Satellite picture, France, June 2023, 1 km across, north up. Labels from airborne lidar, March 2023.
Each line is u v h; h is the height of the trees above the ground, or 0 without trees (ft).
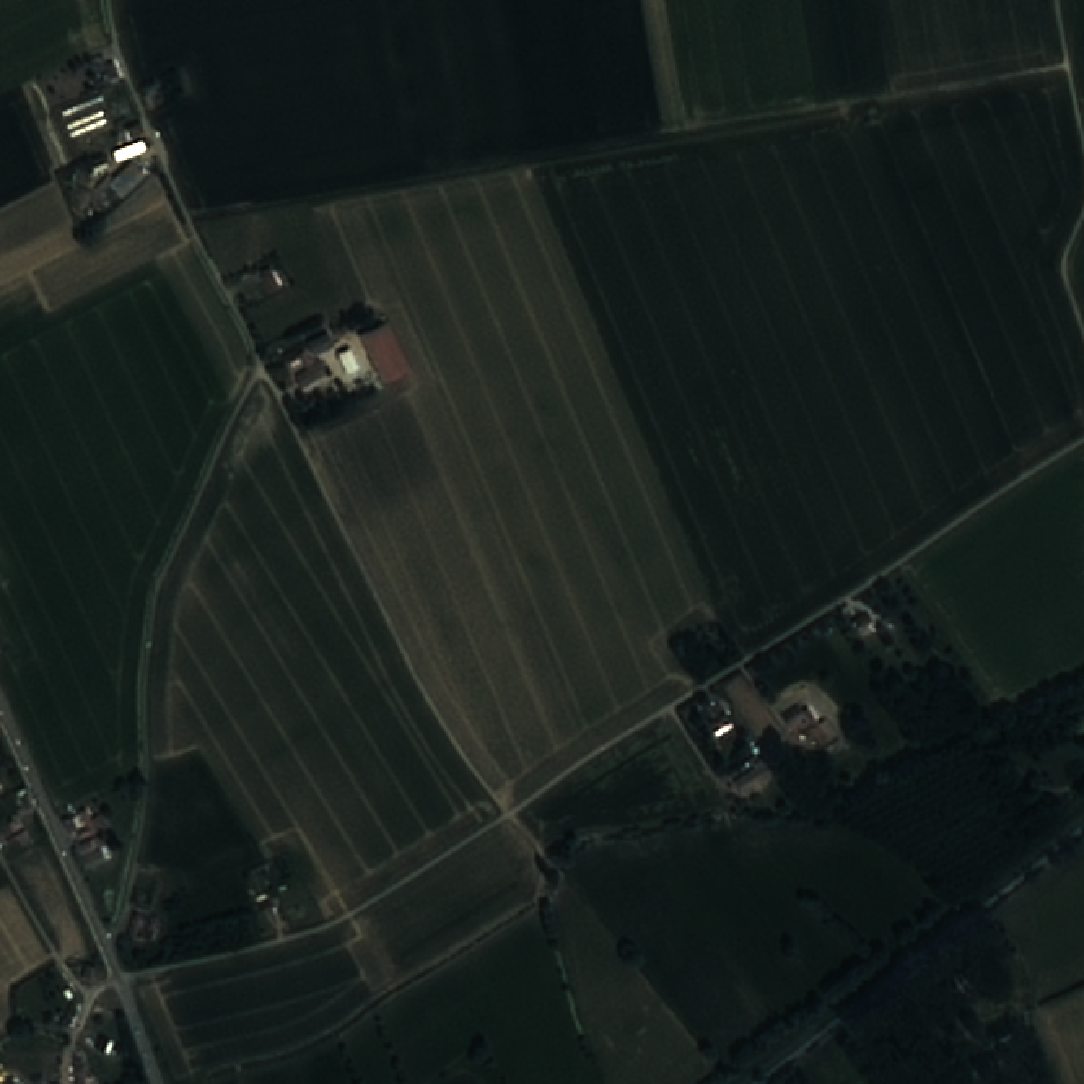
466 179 0
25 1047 0
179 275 0
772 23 0
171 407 0
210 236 0
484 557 0
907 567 0
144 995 0
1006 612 0
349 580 0
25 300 0
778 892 0
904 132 0
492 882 0
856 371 0
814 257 0
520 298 0
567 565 0
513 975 0
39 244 0
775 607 0
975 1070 124
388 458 0
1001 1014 0
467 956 0
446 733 0
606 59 0
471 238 0
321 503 0
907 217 0
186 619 0
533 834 0
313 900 0
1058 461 0
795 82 0
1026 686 0
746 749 38
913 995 129
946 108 0
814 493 0
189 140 0
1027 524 0
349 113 0
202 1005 0
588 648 0
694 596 0
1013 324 0
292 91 0
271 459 0
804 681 0
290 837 0
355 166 0
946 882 92
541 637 0
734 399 0
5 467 0
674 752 0
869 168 0
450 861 0
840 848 0
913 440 0
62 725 0
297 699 0
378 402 0
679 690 0
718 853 0
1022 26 0
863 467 0
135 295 0
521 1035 0
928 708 77
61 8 0
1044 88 0
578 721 0
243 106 0
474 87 0
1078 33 0
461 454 0
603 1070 0
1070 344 0
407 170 0
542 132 0
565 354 0
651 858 0
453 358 0
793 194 0
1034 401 0
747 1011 0
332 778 0
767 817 35
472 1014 0
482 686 0
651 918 0
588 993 0
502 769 0
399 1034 0
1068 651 0
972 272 0
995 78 0
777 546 0
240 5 0
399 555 0
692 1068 0
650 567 0
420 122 0
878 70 0
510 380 0
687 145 0
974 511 0
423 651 0
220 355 0
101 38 0
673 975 0
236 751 0
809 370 0
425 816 0
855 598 0
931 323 0
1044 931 0
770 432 0
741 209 0
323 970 0
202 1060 0
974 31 0
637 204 0
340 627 0
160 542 0
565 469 0
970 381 0
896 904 0
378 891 0
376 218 0
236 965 0
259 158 0
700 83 0
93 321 0
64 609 0
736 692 0
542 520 0
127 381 0
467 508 0
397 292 0
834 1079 0
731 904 0
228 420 0
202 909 0
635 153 0
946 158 0
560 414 0
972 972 118
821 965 0
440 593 0
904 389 0
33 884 0
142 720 0
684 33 0
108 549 0
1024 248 0
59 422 0
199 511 0
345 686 0
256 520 0
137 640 0
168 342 0
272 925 0
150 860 0
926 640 37
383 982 0
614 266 0
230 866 0
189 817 0
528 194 0
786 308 0
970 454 0
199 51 0
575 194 0
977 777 85
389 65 0
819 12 0
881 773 75
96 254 0
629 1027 0
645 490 0
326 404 38
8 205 0
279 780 0
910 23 0
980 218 0
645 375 0
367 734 0
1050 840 0
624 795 0
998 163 0
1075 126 0
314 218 0
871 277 0
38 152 0
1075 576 0
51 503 0
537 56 0
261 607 0
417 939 0
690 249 0
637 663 0
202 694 0
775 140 0
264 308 0
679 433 0
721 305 0
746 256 0
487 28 0
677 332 0
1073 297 0
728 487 0
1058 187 0
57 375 0
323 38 0
